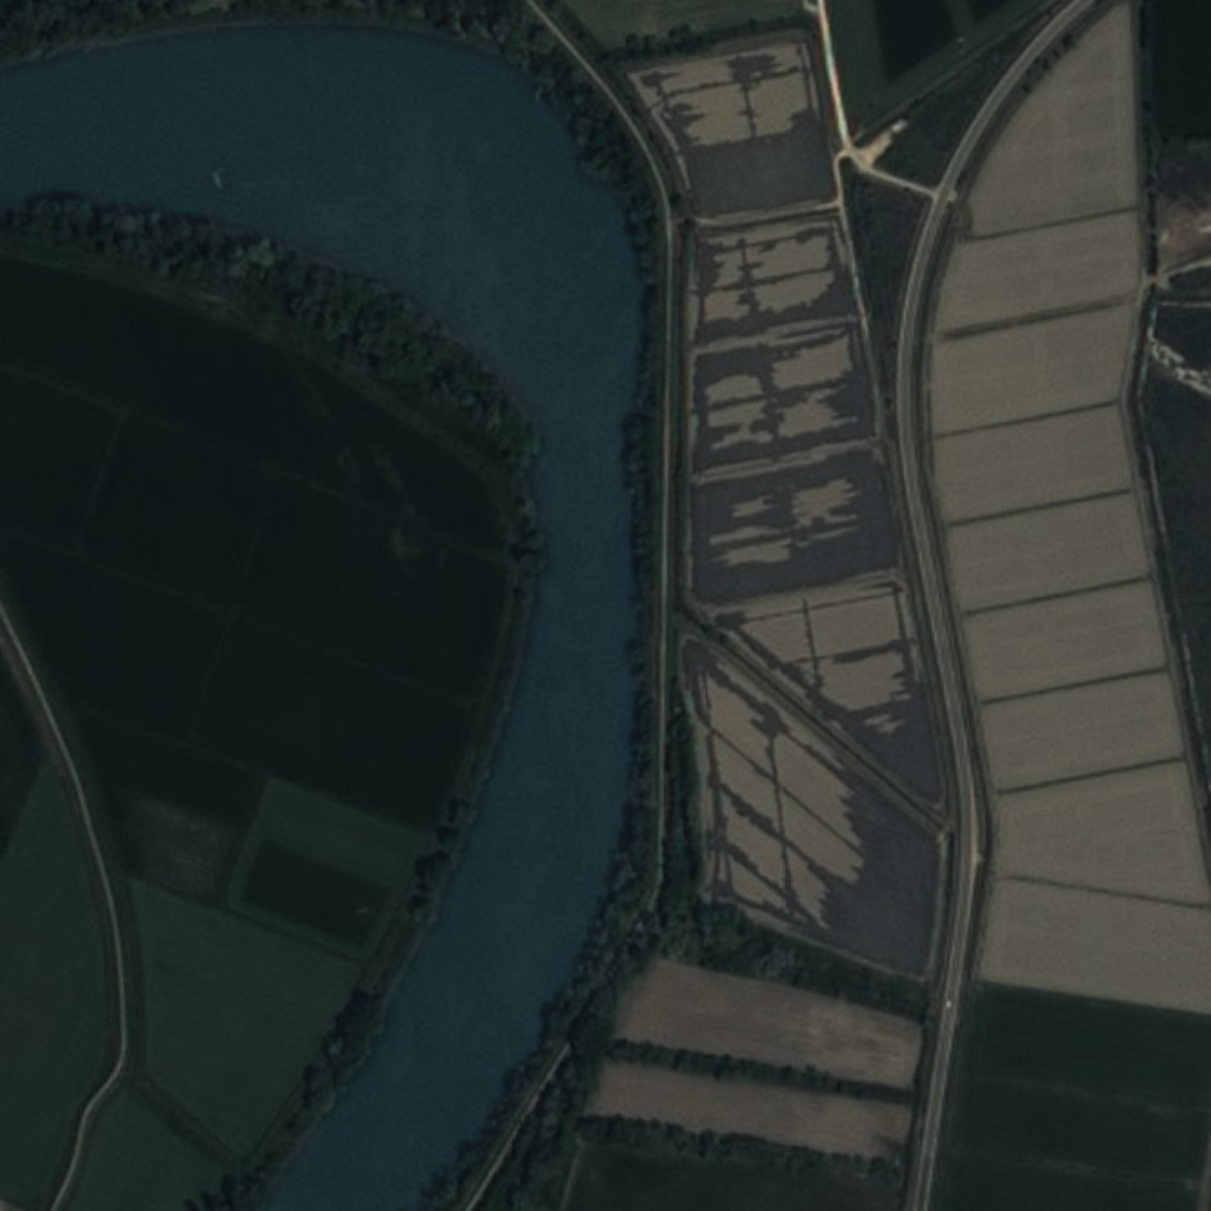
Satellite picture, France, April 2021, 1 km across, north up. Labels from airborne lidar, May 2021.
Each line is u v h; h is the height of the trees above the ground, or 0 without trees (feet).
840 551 0
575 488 0
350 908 0
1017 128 0
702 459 0
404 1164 0
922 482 0
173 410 0
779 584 0
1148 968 0
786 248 0
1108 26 0
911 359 0
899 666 0
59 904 0
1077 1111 0
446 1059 0
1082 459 0
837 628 0
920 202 0
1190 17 0
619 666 0
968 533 0
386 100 0
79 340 0
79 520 0
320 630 0
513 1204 38
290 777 0
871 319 0
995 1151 0
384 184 0
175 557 0
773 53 0
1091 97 0
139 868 0
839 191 0
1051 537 0
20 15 54
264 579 0
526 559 67
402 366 53
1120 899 0
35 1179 0
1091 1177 0
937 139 0
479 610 0
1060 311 0
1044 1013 0
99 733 0
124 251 81
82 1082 0
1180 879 0
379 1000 30
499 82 0
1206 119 0
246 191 0
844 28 0
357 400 0
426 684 0
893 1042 0
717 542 0
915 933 0
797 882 0
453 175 0
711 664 0
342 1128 0
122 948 0
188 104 0
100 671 0
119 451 0
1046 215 0
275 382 0
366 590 0
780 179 0
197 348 0
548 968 0
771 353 0
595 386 0
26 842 0
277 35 0
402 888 0
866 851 0
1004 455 0
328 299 44
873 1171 30
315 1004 0
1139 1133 0
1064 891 0
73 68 0
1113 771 0
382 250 0
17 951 0
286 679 0
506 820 0
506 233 0
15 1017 0
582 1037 59
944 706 0
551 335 0
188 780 0
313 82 0
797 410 0
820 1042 0
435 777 0
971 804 0
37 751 0
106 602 0
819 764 0
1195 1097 0
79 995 0
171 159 0
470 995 0
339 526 0
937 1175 0
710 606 0
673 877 56
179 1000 0
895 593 0
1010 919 0
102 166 0
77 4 32
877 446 0
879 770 0
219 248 50
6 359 0
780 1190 0
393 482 0
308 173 0
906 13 0
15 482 0
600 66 29
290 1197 0
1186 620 0
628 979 62
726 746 0
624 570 0
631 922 26
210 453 0
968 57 0
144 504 0
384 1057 0
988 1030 0
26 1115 0
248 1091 0
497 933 0
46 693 0
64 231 63
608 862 0
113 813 0
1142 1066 0
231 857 0
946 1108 0
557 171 0
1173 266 0
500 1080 0
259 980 0
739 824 0
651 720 53
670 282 0
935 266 0
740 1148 51
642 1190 0
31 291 0
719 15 0
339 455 0
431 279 0
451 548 0
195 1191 0
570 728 0
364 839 0
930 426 0
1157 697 0
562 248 0
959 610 0
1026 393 0
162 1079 0
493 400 49
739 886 0
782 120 0
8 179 0
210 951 0
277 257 39
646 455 44
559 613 0
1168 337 0
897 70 0
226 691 0
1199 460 0
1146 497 0
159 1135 0
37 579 0
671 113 0
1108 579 0
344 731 0
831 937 0
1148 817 0
